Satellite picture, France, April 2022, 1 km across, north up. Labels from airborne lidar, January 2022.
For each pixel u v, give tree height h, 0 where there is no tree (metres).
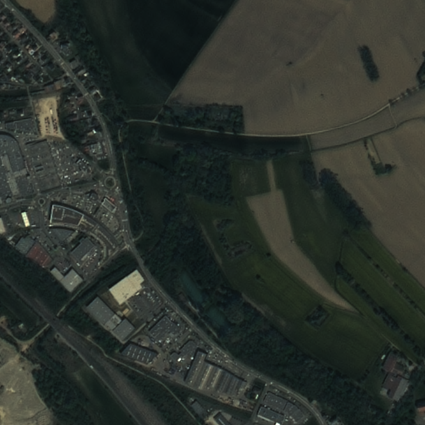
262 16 0
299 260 0
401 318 0
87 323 12
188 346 0
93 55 23
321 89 0
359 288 6
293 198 0
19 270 14
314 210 0
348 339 0
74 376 0
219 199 17
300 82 0
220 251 0
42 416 0
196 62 0
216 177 20
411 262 0
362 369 0
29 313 0
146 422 0
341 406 18
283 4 0
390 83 0
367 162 0
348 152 0
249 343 15
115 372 0
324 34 0
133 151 15
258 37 0
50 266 0
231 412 0
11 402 0
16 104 0
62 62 0
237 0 0
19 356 0
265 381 0
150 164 18
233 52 0
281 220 0
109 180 0
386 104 0
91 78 17
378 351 0
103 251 0
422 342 0
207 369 0
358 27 0
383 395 0
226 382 0
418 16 0
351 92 0
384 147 0
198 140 0
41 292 13
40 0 0
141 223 14
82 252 0
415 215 0
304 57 0
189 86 0
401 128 0
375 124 0
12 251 13
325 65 0
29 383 0
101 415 0
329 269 0
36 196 0
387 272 0
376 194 0
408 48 0
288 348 19
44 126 0
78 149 0
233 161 0
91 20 0
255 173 0
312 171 17
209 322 20
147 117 0
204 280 26
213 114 19
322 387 20
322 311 15
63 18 14
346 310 0
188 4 0
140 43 0
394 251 0
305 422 0
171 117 0
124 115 17
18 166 0
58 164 0
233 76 0
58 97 0
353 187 0
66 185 0
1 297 0
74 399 14
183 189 20
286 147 0
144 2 0
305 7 0
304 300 0
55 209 0
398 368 0
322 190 0
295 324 0
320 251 0
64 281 0
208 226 0
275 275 0
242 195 0
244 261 0
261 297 0
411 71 0
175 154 0
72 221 0
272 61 0
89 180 0
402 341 0
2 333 11
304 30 0
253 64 0
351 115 0
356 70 0
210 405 0
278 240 0
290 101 0
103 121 0
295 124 0
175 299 12
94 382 0
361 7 0
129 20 0
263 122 0
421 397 0
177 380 0
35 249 0
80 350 0
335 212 0
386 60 0
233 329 33
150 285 0
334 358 0
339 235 0
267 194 0
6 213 0
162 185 0
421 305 0
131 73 0
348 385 26
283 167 0
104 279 7
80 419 12
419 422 0
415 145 0
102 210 0
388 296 0
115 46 0
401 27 0
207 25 0
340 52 0
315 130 0
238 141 0
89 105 0
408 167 0
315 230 0
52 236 0
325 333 0
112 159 0
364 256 0
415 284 0
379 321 0
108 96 19
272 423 0
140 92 0
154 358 0
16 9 0
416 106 0
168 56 0
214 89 0
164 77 0
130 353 0
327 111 0
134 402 0
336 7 0
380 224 0
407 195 0
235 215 0
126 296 0
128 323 0
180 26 0
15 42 0
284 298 0
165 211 0
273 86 0
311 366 20
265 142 0
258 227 0
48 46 0
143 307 0
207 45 0
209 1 0
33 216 0
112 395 0
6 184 0
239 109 8
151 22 0
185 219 17
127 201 10
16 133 0
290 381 15
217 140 0
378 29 0
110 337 10
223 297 19
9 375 0
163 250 8
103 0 0
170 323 0
